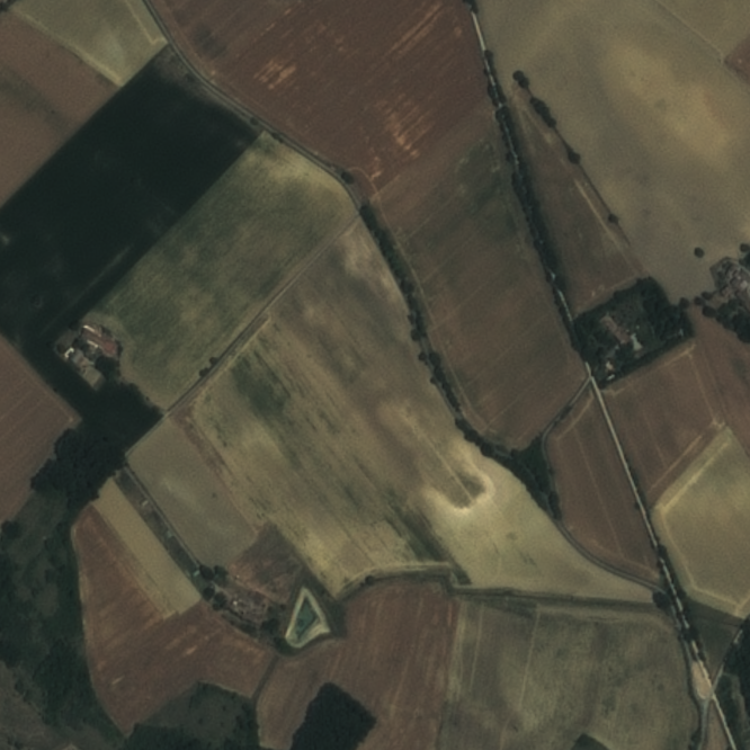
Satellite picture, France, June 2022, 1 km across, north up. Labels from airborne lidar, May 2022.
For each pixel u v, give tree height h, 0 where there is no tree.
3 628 12
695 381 0
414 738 0
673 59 0
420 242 0
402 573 0
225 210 0
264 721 0
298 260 0
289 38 0
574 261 0
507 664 0
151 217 0
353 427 0
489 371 0
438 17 0
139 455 0
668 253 0
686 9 0
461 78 0
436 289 0
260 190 0
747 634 14
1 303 0
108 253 0
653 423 0
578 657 0
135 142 0
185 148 0
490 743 0
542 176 0
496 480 0
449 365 0
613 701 0
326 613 0
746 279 0
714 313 19
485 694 0
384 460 0
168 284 0
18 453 0
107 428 0
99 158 0
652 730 0
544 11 0
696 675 0
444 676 0
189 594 0
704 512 0
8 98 0
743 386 0
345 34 0
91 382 0
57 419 0
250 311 0
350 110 0
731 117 0
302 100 0
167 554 0
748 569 0
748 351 0
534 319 0
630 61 0
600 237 0
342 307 0
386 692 0
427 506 0
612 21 0
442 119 0
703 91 0
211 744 6
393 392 0
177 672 0
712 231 0
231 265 0
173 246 0
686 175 0
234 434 0
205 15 0
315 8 0
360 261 0
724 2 0
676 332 13
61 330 0
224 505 0
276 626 7
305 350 0
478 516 0
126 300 0
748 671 15
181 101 0
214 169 0
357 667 0
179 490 0
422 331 13
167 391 0
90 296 0
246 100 0
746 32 0
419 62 0
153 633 0
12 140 0
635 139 0
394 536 0
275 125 0
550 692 0
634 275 0
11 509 0
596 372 8
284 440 0
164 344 0
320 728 19
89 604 0
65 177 0
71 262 0
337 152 0
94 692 8
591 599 0
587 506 0
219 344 0
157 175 0
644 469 0
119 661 0
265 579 0
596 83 0
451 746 0
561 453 0
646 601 0
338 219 0
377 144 0
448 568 0
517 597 0
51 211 0
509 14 0
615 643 0
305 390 0
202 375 7
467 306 0
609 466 0
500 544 0
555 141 0
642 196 0
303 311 0
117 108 0
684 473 0
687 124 0
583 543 0
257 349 0
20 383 0
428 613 0
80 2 0
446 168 0
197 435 0
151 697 0
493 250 0
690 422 0
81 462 18
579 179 0
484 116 0
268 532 0
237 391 0
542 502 13
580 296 0
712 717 0
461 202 0
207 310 0
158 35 0
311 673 0
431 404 0
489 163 0
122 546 0
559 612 0
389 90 0
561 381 0
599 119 0
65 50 0
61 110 0
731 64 0
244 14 0
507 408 0
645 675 0
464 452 0
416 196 0
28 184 0
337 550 0
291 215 0
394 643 0
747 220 0
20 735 0
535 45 0
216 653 0
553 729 0
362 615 0
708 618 0
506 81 0
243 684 0
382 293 0
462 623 0
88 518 0
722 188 0
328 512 0
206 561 0
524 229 0
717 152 0
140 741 6
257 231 0
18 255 0
